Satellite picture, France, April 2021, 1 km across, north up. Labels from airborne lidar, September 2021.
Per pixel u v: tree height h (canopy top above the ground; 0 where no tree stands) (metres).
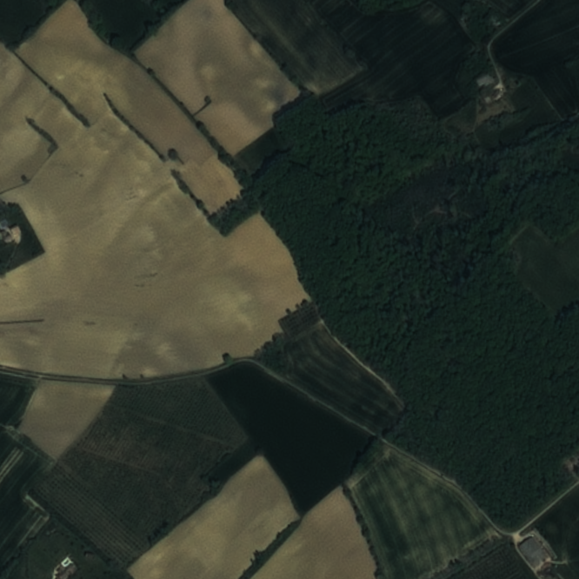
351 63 0
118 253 0
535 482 23
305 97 15
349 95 0
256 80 0
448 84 0
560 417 26
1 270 19
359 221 23
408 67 0
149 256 0
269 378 0
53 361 0
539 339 26
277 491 0
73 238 0
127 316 0
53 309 0
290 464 0
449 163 28
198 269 0
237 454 0
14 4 0
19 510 0
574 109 0
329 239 29
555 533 0
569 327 25
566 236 22
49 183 0
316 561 0
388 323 22
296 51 0
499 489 21
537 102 0
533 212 25
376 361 11
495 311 26
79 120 12
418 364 20
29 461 0
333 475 0
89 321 0
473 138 9
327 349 0
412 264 20
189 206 0
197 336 0
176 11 14
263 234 0
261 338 0
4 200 0
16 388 0
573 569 0
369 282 11
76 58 0
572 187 28
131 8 0
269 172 25
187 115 0
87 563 0
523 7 0
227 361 13
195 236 0
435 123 11
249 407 0
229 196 0
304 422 0
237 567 0
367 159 12
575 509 0
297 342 0
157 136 0
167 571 0
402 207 10
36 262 0
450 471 16
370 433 0
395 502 0
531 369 29
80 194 0
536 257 0
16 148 0
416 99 6
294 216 27
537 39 0
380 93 0
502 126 15
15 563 10
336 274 24
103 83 0
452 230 6
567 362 28
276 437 0
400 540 0
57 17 0
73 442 0
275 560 0
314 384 0
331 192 28
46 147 0
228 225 16
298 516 0
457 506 0
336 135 24
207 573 0
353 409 0
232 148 0
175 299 0
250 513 0
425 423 17
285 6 0
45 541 0
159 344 0
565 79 0
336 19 0
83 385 0
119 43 19
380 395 0
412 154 16
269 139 0
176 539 0
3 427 0
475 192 6
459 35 0
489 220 15
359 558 0
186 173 0
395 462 0
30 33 16
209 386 0
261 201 18
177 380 0
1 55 0
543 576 0
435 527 0
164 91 0
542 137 20
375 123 25
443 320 24
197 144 0
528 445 21
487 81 0
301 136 23
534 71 0
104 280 0
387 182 17
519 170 10
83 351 0
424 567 0
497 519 16
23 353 0
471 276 25
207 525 0
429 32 0
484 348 25
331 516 0
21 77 0
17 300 0
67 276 0
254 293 0
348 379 0
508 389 26
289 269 0
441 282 21
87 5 18
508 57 0
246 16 0
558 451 27
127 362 0
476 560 16
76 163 0
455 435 20
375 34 0
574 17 0
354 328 19
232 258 0
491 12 6
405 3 13
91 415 0
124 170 0
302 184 30
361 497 0
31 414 0
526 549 0
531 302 24
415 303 25
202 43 0
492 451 21
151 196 0
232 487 0
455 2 0
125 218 0
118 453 0
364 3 24
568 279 0
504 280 21
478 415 18
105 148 0
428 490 0
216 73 0
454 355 26
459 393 21
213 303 0
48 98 0
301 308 10
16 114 0
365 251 18
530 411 27
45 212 0
